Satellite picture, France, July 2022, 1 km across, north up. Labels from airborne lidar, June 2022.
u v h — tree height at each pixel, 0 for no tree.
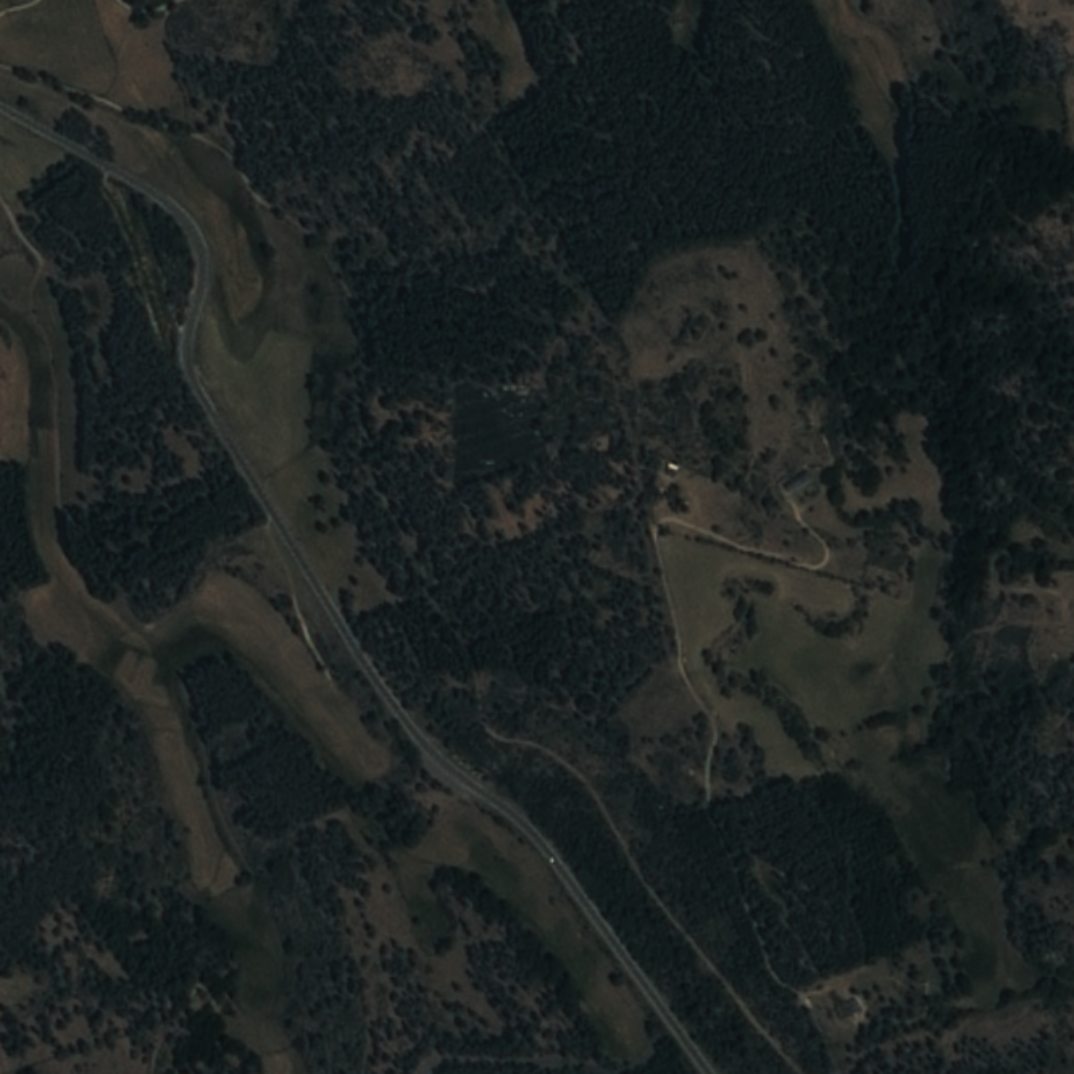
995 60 12
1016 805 6
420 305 25
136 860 12
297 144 24
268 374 0
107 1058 0
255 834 7
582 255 20
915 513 17
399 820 7
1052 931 9
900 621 0
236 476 18
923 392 9
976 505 11
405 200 17
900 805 0
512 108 8
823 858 23
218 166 0
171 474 16
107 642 0
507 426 0
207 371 0
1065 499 10
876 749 0
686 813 9
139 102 0
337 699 0
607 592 0
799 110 20
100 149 13
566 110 19
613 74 18
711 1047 7
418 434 13
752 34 21
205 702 16
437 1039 16
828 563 0
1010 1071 22
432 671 18
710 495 0
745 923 12
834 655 0
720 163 21
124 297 14
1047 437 12
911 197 32
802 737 10
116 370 16
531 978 17
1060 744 0
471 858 0
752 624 13
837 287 15
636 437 0
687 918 7
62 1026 15
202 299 0
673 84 21
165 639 0
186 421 10
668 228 19
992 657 0
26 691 14
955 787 9
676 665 0
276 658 0
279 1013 0
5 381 0
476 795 0
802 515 0
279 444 0
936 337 12
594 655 9
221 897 0
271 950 0
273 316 0
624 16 15
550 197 21
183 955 18
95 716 18
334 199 10
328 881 15
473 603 15
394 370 22
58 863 19
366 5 20
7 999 0
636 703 0
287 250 0
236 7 0
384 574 23
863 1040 13
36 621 0
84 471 16
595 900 10
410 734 0
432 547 20
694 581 0
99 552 17
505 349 22
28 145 0
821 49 21
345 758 0
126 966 15
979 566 18
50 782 16
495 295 22
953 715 8
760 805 20
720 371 6
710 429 8
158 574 17
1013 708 5
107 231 15
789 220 14
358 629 14
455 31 10
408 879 0
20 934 18
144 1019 15
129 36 0
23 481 24
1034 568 7
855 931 21
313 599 0
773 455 8
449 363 19
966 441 14
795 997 12
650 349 0
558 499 14
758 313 0
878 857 15
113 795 16
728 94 26
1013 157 13
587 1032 17
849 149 28
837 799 14
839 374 18
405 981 12
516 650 17
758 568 0
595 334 9
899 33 0
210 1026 15
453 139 15
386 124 18
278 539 0
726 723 0
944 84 19
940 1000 7
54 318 0
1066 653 0
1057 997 7
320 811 19
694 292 0
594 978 0
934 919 6
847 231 25
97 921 17
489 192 16
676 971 8
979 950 0
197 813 0
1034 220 10
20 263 0
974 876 0
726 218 23
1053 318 9
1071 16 0
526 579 12
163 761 0
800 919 22
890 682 0
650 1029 12
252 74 20
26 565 25
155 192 0
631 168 17
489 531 11
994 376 8
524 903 0
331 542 0
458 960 0
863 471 6
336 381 0
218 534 17
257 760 21
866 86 0
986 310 13
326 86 19
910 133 26
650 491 6
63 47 0
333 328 0
